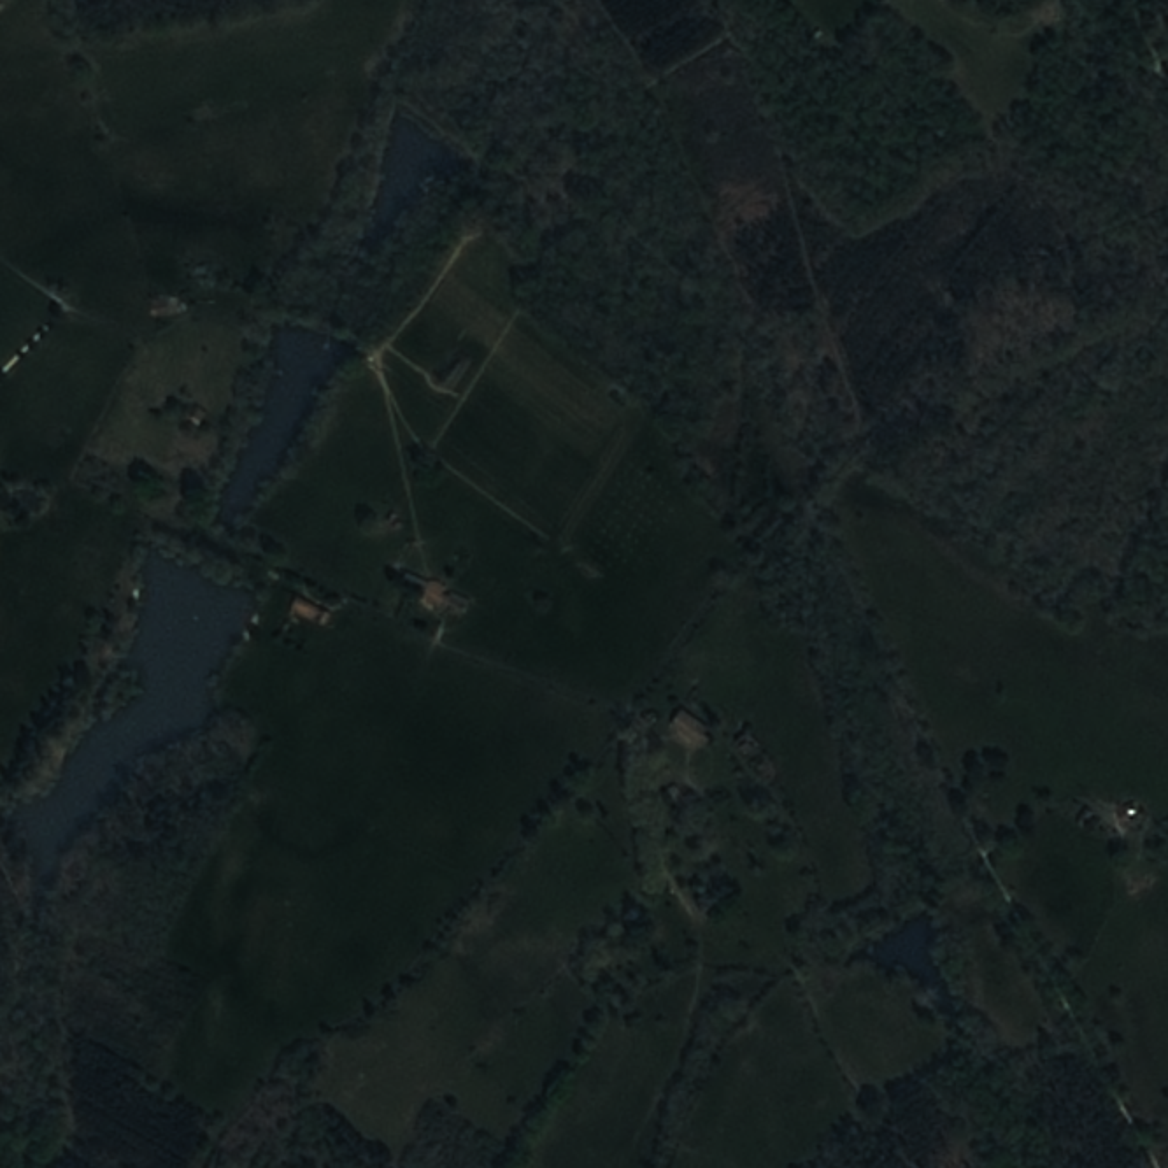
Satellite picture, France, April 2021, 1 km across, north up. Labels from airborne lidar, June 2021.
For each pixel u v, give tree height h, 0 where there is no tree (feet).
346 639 0
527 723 0
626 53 46
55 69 0
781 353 51
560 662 0
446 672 0
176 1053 0
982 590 0
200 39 0
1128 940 0
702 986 0
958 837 42
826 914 60
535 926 0
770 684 0
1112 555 28
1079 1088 57
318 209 0
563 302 59
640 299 83
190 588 0
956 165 53
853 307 26
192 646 0
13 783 75
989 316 28
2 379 26
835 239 22
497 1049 0
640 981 49
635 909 64
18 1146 78
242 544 56
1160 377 26
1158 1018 0
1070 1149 18
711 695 0
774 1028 0
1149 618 58
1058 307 42
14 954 55
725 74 36
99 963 19
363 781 0
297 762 0
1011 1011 0
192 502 77
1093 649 0
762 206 0
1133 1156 65
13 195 0
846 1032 0
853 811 67
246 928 0
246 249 0
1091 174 41
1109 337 28
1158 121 64
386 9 0
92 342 0
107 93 0
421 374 0
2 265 0
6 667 0
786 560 39
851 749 32
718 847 71
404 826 0
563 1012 0
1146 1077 0
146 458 0
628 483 0
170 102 0
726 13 38
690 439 48
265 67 0
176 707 0
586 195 95
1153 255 43
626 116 67
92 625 31
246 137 0
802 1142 0
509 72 25
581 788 46
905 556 0
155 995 19
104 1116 38
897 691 42
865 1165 62
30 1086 34
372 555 0
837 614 49
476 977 0
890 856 58
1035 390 20
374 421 0
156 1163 21
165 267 0
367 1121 0
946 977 41
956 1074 70
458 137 35
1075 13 58
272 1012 0
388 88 47
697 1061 50
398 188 0
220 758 60
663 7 38
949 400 48
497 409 0
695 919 0
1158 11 18
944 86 44
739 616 0
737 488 24
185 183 0
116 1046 21
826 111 34
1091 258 54
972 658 0
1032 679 0
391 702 0
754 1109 0
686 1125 36
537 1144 47
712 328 52
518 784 0
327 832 0
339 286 52
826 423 33
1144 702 0
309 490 0
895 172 56
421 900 0
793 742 0
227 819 55
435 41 48
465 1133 26
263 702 0
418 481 28
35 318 0
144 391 0
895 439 86
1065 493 24
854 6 0
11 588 0
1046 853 0
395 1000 53
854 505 0
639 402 40
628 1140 0
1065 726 0
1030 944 51
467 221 71
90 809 0
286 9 60
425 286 46
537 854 0
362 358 45
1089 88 24
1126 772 0
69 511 0
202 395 0
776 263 27
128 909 47
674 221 59
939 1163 54
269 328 43
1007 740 0
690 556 0
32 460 0
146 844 36
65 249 0
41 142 0
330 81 0
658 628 0
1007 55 0
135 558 24
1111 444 24
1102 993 0
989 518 57
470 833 0
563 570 0
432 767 0
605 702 0
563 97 70
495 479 0
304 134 0
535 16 70
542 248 48
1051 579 57
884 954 0
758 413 18
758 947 0
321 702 0
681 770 0
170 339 0
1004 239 22
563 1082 55
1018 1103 79
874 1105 63
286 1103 33
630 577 0
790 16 61
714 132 50
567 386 0
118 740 0
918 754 41
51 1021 54
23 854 64
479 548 0
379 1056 0
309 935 0
